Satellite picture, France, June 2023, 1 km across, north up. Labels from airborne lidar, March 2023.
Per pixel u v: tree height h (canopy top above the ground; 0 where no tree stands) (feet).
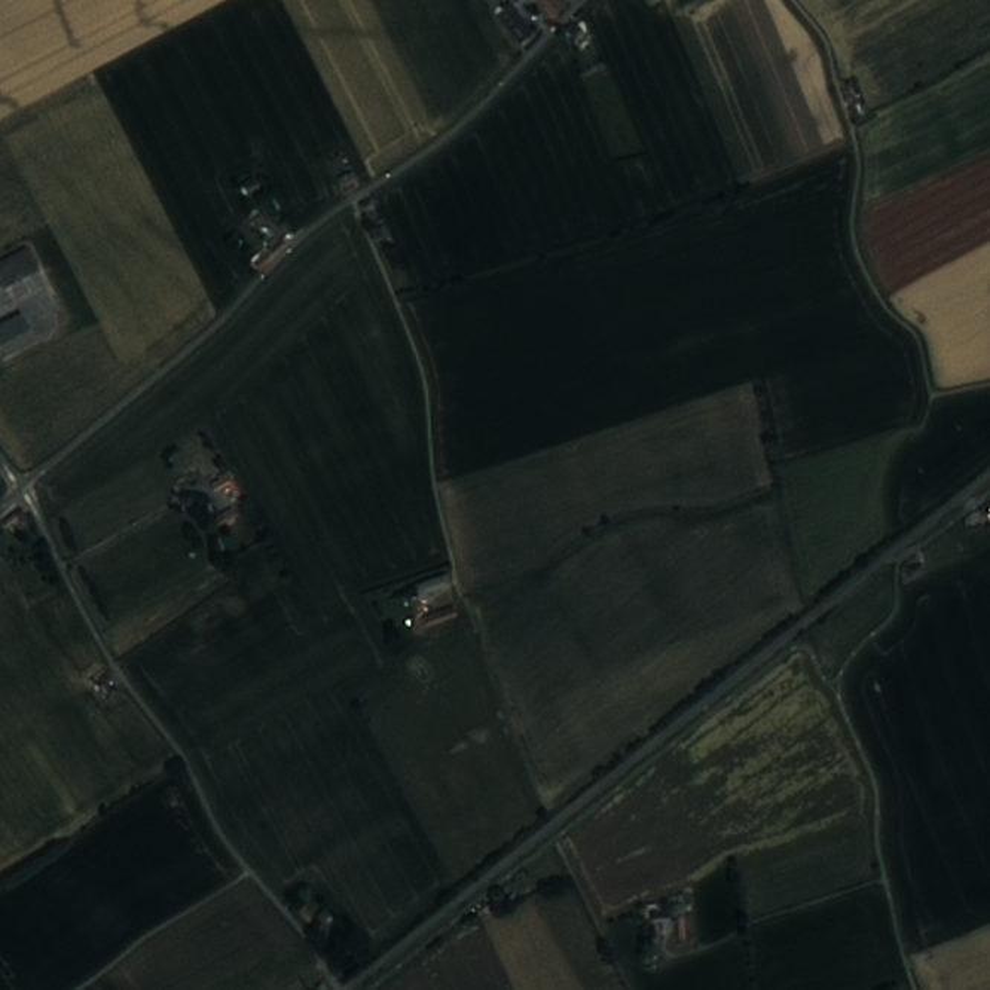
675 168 0
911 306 0
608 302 0
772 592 0
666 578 0
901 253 0
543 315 0
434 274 0
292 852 0
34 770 0
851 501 0
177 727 0
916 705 0
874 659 0
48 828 0
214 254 0
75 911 0
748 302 0
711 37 0
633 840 0
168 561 0
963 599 0
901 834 0
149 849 0
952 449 0
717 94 0
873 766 0
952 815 0
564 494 0
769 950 0
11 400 0
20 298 0
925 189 0
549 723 0
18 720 0
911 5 0
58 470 0
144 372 0
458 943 0
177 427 0
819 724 0
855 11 0
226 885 0
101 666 0
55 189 0
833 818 0
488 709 0
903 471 0
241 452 0
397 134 0
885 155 0
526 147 0
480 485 0
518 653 0
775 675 0
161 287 0
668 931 0
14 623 0
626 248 0
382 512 0
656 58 0
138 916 0
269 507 0
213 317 0
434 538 0
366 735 0
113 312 0
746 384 0
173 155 0
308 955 0
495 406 0
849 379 0
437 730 0
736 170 0
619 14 0
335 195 0
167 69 0
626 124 0
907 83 0
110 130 0
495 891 37
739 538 0
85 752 0
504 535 0
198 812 0
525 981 0
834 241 0
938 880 0
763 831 0
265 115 0
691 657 0
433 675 0
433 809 0
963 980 0
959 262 0
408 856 0
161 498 0
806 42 0
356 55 0
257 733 0
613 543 0
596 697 0
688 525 0
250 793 0
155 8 0
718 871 0
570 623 0
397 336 0
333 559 0
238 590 0
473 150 0
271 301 0
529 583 0
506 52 0
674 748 0
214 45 0
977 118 0
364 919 0
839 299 0
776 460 49
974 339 0
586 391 0
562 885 40
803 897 0
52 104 0
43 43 0
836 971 0
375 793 0
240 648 0
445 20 0
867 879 0
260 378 0
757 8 0
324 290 0
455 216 0
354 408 0
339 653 0
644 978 0
